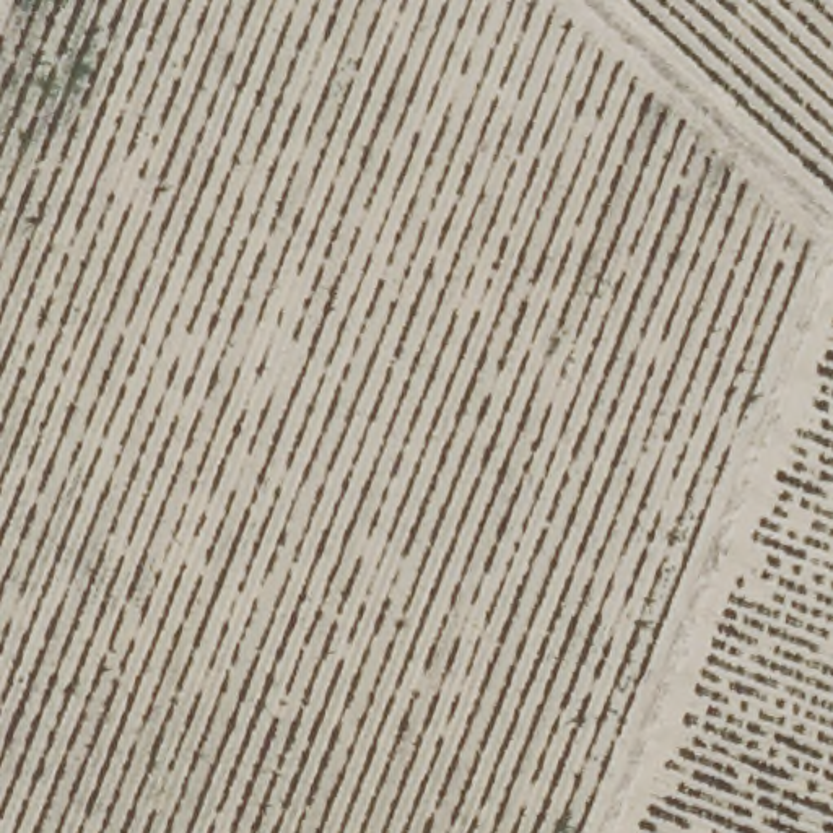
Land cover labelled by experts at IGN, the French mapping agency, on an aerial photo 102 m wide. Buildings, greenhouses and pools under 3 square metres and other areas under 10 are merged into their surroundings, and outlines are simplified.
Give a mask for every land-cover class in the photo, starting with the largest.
<instances>
[{"label":"vineyard","instance_id":"1","mask_svg":"<svg viewBox=\"0 0 833 833\"><path fill-rule=\"evenodd\" d=\"M833 212V0H0V833H582L599 800L602 781L608 778L618 739L635 709L638 687L651 670L680 582L690 569L716 488L722 485V475L729 469L732 452H722L713 472V485H706L703 511L696 514L690 508L706 459L713 456V446L719 439L722 417L729 407H739L735 423H745L748 410L755 407L771 348L781 335V325L787 319V309L794 303L804 267L813 251L810 238L820 231L823 215ZM820 390L813 407L820 410V426L797 430L800 439L820 446V462L804 465L807 449L794 446L791 469L804 472V478L778 472L781 485H794L804 491L800 508L813 514V524L807 527V537L787 530L784 543L778 540L774 521L761 517L755 524L752 540L761 543L768 556L761 579L778 582L774 595L768 602H755L745 595L726 599L719 631L713 635L709 657L703 661V670L696 677V696L709 700V706L696 716H683V726L690 729L693 742H687L664 765L677 774L680 784L670 797H661L648 807L644 820L638 823V833H833V351H826L817 368Z\"/></svg>","mask_w":833,"mask_h":833},{"label":"plowed land","instance_id":"2","mask_svg":"<svg viewBox=\"0 0 833 833\"><path fill-rule=\"evenodd\" d=\"M813 251L804 267L794 303L787 309V319L781 325V335L771 348L755 407L748 410L745 423H735L739 407H729L722 417L719 439L713 446V456L706 459L690 508L696 514L703 511L706 485H713V472L722 452H732L729 469L722 475V485L716 488L690 569L680 582L651 670L638 687L635 709L618 739L608 778L602 781L599 800L582 833H638V823L644 820L648 807L661 797H670L680 784L677 774L664 765L687 742H693L690 729L683 726V716H696L709 706V700L696 696V677L703 670V661L709 657L713 635L719 631L726 599L745 595L755 602H768L774 595L778 582L761 579L768 556L761 543L752 540L755 524L761 517L774 521L778 540L784 543L787 530L807 537V527L813 524V514L800 508L804 491L794 485H781L778 472L804 478V472L791 469L794 446L807 449L804 465L820 462V446L800 439L797 430L820 426V410L813 407L820 390L817 368L826 351H833V212L823 215L820 231L810 238Z\"/></svg>","mask_w":833,"mask_h":833}]
</instances>
